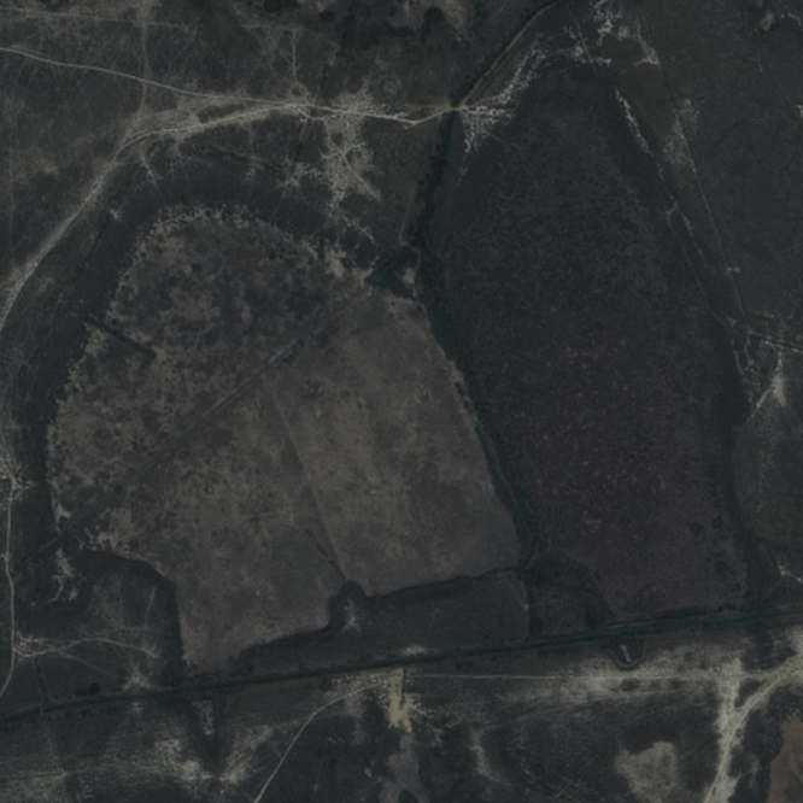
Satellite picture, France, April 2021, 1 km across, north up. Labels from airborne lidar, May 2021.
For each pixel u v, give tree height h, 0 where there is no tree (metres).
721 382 0
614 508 0
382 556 0
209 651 0
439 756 0
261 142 0
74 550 0
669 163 0
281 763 0
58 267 0
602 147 0
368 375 0
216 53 0
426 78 0
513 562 0
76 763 0
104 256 0
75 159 0
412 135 0
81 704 0
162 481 0
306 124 0
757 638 0
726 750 0
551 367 0
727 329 0
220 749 0
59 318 0
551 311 0
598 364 0
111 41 0
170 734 0
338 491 0
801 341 0
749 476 0
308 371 0
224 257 0
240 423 0
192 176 0
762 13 0
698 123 0
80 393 0
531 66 0
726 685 0
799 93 0
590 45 0
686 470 0
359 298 0
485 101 0
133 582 0
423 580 0
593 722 0
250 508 0
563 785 0
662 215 0
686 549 0
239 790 0
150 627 0
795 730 0
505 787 0
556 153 0
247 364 0
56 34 0
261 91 0
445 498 0
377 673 0
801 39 0
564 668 0
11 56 0
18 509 0
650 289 0
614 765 0
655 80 0
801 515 0
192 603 0
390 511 0
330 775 0
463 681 0
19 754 0
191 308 0
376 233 0
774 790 0
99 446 0
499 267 0
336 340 0
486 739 0
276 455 0
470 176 0
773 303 0
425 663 0
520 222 0
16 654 0
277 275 0
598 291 0
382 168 0
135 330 0
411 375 0
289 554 0
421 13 0
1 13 0
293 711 0
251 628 0
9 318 0
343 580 0
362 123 0
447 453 0
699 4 0
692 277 0
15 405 0
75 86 0
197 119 0
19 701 0
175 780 0
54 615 0
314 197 0
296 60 0
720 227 0
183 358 0
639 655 0
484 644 0
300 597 0
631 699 0
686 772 0
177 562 0
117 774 0
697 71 0
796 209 0
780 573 0
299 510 0
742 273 0
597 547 0
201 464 0
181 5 0
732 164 0
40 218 0
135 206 0
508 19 0
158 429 0
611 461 0
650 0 0
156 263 0
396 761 0
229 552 0
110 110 0
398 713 0
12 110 0
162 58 0
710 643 0
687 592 0
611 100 0
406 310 0
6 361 0
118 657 0
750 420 0
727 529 0
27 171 0
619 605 0
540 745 0
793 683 0
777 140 0
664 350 0
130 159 0
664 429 0
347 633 0
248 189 0
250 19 0
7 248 0
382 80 0
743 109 0
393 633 0
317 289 0
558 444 0
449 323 6
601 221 0
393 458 0
